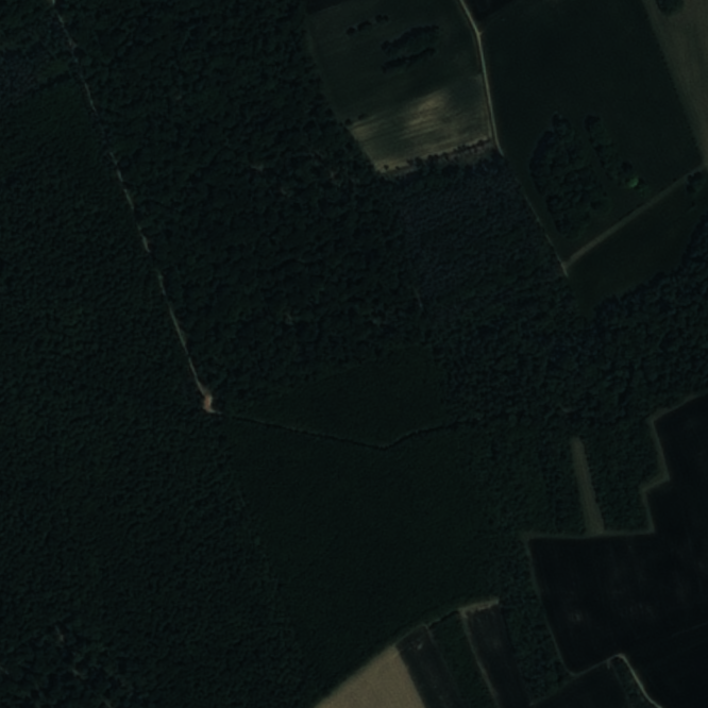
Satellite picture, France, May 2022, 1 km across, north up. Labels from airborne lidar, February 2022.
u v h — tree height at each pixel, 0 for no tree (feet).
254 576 65
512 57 0
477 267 78
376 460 35
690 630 0
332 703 0
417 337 91
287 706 66
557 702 0
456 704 0
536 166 57
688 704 0
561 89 0
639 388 107
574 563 0
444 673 0
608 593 0
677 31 0
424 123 0
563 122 68
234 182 87
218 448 66
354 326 84
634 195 0
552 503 43
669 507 0
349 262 86
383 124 0
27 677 95
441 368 29
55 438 90
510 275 75
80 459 88
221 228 81
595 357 93
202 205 86
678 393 72
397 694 0
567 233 65
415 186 76
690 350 98
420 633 0
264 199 96
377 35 0
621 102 0
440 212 80
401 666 0
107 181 60
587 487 0
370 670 0
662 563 0
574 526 31
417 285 67
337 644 37
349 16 0
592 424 85
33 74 64
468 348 88
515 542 45
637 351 94
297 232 84
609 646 0
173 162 89
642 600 0
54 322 84
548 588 0
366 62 0
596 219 0
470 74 0
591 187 78
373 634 34
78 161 57
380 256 83
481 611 0
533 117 0
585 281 0
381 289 94
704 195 0
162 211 86
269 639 76
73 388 73
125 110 79
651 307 99
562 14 0
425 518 36
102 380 69
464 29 0
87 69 72
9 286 61
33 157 53
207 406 0
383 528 37
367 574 41
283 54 77
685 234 0
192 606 78
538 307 28
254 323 89
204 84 79
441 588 33
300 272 80
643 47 0
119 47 87
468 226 83
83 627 90
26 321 79
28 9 78
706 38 0
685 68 0
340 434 30
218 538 70
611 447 38
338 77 0
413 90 0
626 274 0
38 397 90
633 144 0
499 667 0
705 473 0
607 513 30
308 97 83
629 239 0
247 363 81
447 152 0
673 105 0
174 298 77
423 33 51
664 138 0
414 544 37
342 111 0
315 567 35
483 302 75
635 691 24
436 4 0
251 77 89
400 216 78
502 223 78
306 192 101
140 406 86
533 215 59
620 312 94
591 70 0
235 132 80
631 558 0
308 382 30
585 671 0
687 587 0
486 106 0
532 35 0
